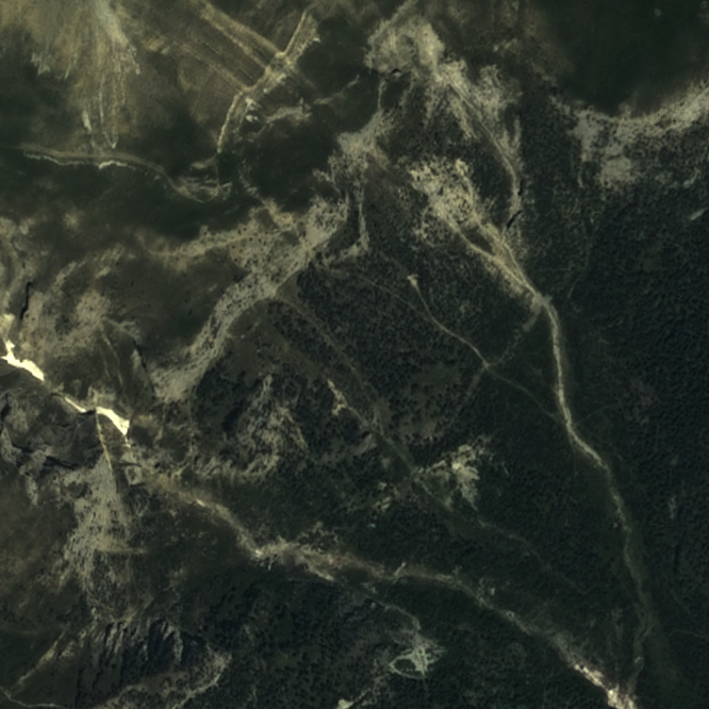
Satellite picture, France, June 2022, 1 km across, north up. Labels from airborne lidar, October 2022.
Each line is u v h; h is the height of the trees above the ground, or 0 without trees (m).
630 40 0
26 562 0
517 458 9
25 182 0
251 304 10
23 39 0
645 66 0
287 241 0
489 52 0
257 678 11
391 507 9
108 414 0
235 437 7
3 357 0
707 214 10
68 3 0
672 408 14
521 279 0
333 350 10
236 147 0
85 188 0
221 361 8
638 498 7
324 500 10
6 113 0
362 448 9
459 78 0
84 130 0
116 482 0
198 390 10
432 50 0
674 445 8
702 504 11
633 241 8
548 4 0
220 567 0
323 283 8
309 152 0
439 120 0
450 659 7
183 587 0
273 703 11
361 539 7
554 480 7
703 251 10
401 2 0
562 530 9
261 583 7
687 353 12
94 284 0
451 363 14
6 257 0
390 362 11
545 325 0
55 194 0
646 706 6
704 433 7
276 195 0
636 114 0
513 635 10
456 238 0
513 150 0
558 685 11
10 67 0
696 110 0
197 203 0
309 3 0
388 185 0
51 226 0
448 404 13
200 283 0
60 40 0
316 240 0
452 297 10
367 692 7
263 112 0
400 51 0
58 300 0
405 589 7
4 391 0
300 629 21
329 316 10
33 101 0
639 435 8
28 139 0
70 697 0
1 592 0
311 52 0
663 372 11
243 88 0
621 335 8
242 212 0
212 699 10
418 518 10
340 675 11
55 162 0
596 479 0
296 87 0
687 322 15
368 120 0
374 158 0
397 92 0
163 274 0
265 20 0
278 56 0
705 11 0
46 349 0
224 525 0
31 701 0
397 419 11
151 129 0
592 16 0
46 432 0
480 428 10
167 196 0
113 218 0
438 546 14
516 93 0
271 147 0
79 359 0
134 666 9
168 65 0
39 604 0
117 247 0
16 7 0
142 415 0
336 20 0
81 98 0
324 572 0
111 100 0
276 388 12
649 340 11
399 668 6
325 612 7
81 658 0
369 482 14
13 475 0
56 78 0
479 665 7
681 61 0
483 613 8
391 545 8
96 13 0
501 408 6
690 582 9
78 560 0
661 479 15
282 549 0
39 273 0
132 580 0
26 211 0
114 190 0
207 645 32
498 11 0
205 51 0
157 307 0
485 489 9
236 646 7
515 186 0
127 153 0
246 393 11
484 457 6
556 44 0
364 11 0
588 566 9
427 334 8
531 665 11
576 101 0
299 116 0
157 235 0
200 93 0
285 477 9
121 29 0
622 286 7
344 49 0
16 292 0
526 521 11
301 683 12
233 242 0
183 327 0
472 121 0
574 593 6
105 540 0
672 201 7
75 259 0
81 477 0
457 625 11
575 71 0
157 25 0
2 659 0
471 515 10
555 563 7
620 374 8
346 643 12
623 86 0
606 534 0
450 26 0
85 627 8
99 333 0
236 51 0
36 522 0
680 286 15
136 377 0
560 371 0
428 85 0
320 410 6
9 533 0
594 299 7
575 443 0
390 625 7
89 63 0
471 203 0
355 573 0
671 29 0
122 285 0
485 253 0
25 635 0
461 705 17
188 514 0
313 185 0
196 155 0
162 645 8
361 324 9
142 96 0
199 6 0
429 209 7
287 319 6
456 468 0
